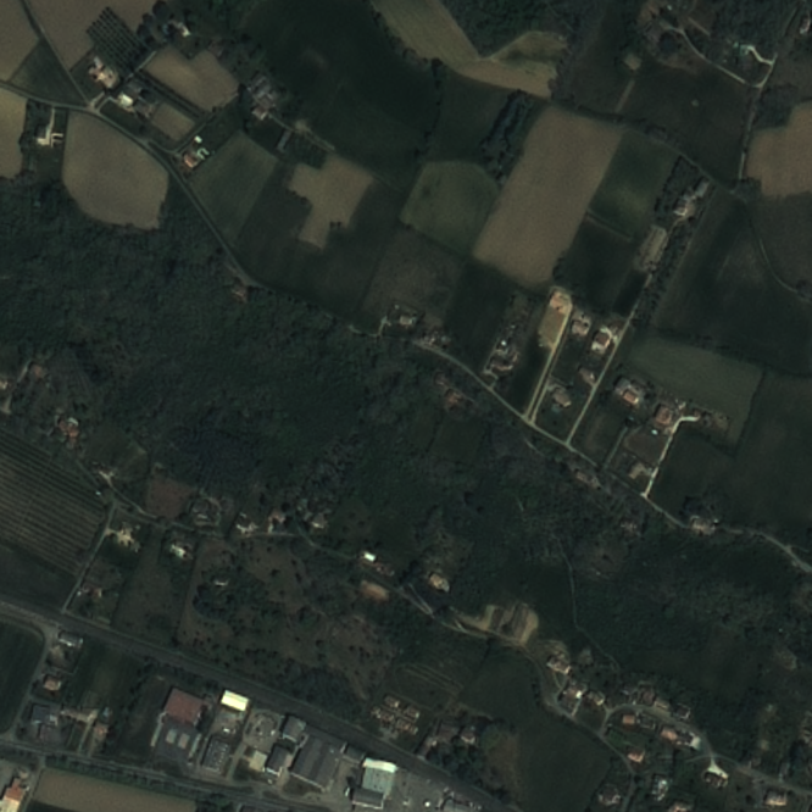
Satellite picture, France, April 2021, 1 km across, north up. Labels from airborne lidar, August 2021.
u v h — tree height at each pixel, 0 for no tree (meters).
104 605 0
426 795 0
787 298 0
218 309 13
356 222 0
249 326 8
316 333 6
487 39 19
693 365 0
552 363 0
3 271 7
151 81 7
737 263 0
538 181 0
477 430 0
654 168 0
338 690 21
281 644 0
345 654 0
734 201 0
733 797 0
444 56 0
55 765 10
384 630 16
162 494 0
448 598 14
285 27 0
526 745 0
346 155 0
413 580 17
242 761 0
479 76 0
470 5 19
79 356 13
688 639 5
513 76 0
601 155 0
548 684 0
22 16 0
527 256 0
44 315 7
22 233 11
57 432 12
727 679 0
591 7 18
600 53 0
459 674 0
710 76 0
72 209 11
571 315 0
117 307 18
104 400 12
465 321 0
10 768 0
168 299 17
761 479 0
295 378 7
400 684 0
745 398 0
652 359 0
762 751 7
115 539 10
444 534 7
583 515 7
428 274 0
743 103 0
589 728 0
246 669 0
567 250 0
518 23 16
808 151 0
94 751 0
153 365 12
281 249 0
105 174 0
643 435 0
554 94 12
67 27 0
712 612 8
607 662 6
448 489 10
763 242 0
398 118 0
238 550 12
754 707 9
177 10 0
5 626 0
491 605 0
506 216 0
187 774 0
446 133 0
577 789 0
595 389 0
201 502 10
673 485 0
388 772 0
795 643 7
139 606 0
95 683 0
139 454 0
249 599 6
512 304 6
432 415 0
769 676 0
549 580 0
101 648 0
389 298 0
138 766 0
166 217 13
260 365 7
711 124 0
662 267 9
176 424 10
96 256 8
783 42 11
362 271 0
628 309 0
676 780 8
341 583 22
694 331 0
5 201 18
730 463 0
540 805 0
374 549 6
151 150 0
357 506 0
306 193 0
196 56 0
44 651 0
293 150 5
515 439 16
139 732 0
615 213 0
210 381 7
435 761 16
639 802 8
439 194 0
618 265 0
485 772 18
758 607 13
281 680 12
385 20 10
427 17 0
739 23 19
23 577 0
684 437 0
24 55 0
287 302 12
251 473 14
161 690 0
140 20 0
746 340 0
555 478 23
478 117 0
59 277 11
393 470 11
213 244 9
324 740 0
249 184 0
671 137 10
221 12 17
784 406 0
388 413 17
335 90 0
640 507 19
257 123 8
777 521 0
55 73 0
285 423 8
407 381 14
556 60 0
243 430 6
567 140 0
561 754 0
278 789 0
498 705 0
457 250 0
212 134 0
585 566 14
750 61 0
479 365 10
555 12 11
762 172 0
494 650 17
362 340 11
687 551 7
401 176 0
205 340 8
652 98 0
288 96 12
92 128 0
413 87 0
